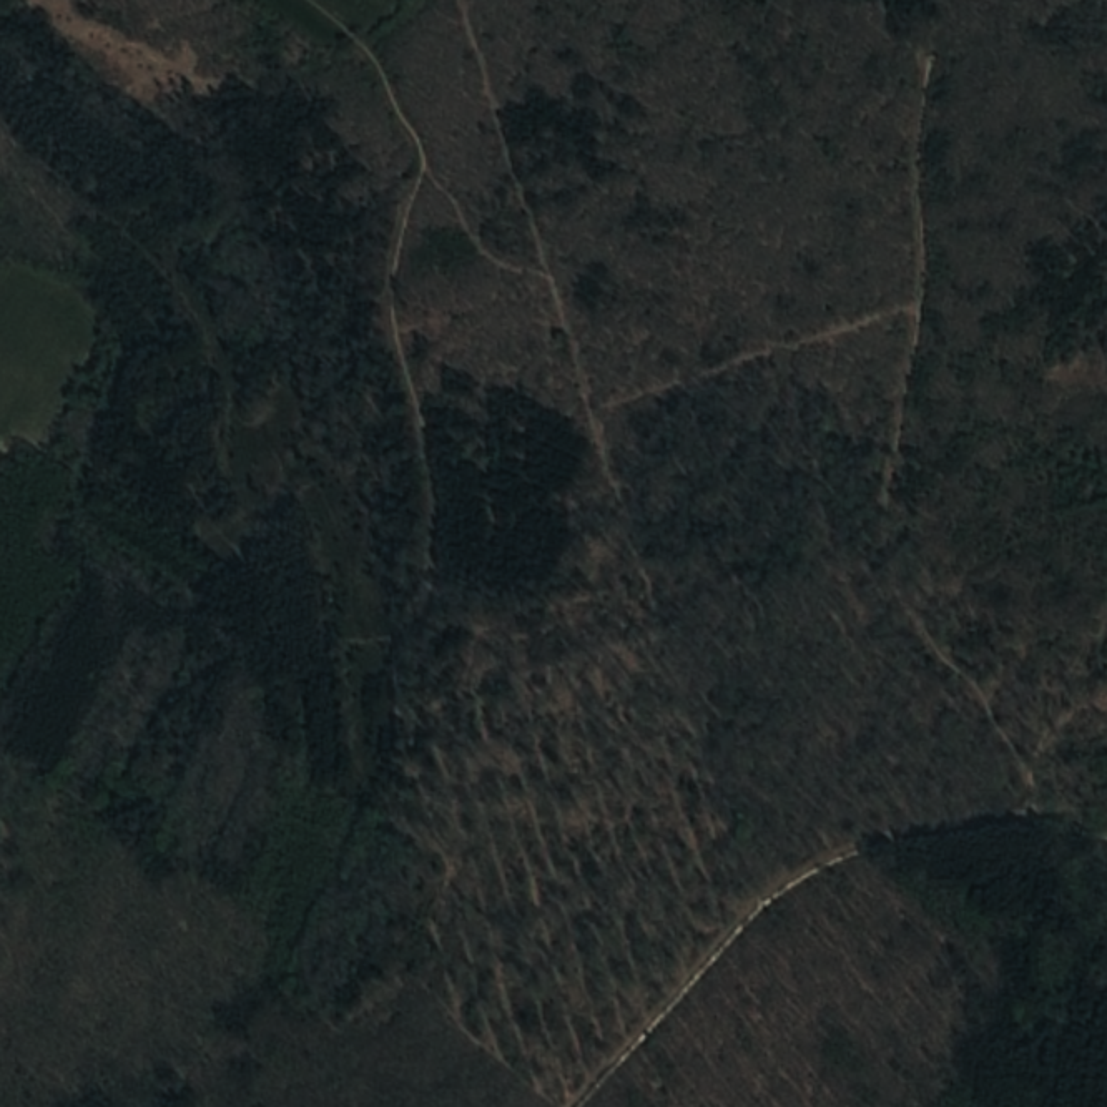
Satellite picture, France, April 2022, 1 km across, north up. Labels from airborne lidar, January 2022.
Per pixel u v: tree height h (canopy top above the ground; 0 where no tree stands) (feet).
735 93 34
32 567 57
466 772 100
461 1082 48
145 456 58
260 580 86
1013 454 37
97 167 79
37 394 0
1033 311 31
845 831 72
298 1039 47
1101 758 45
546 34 28
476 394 27
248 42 31
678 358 27
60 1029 60
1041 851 96
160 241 21
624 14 27
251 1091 49
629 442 27
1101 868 79
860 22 38
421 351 31
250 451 0
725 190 34
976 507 31
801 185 37
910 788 96
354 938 95
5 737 60
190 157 98
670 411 40
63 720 69
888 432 23
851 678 99
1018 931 62
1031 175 31
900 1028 78
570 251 32
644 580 28
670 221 23
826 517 89
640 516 87
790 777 90
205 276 44
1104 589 30
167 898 75
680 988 91
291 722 84
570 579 87
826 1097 66
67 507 52
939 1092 56
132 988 65
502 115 23
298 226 37
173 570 42
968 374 42
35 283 0
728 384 31
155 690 100
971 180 28
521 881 17
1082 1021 50
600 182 45
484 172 36
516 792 94
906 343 28
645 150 21
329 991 41
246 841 95
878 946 54
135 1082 52
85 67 45
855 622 96
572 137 41
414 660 97
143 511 27
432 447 49
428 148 23
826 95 26
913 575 94
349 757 91
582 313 28
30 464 59
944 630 95
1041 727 104
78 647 62
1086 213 30
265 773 98
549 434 39
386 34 23
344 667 109
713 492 84
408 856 116
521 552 35
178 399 28
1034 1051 88
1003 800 92
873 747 66
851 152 29
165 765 78
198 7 32
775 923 58
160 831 69
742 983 60
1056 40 34
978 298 32
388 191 25
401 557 58
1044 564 26
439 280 23
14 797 125
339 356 104
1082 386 0
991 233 36
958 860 88
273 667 94
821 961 70
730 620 101
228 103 26
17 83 82
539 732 107
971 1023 65
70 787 83
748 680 101
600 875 19
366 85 37
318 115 60
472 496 50
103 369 59
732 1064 70
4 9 47
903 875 66
